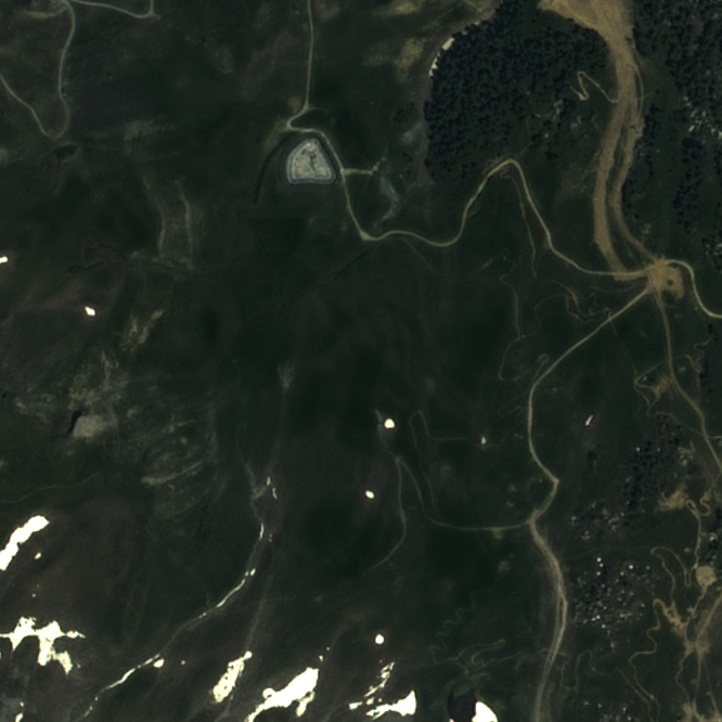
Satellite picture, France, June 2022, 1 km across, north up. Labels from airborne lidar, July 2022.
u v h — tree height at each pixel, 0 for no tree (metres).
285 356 0
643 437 0
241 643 0
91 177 0
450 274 0
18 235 0
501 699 0
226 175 0
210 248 0
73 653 0
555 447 0
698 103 13
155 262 0
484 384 0
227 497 0
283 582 0
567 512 0
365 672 0
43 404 0
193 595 0
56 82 0
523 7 18
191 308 0
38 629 0
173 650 0
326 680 0
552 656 0
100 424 0
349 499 0
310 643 0
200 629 0
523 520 0
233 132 0
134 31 0
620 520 0
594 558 0
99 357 0
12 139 0
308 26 0
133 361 0
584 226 0
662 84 0
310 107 0
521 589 0
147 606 0
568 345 0
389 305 0
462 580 0
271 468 0
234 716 0
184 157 0
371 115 0
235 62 0
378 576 0
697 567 0
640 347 0
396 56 0
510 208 0
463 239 0
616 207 0
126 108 0
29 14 0
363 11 0
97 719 0
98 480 0
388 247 0
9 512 0
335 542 0
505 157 0
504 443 0
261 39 0
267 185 0
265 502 0
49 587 0
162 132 0
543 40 12
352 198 0
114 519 0
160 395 0
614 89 0
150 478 0
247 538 0
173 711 0
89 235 0
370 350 0
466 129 19
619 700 0
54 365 0
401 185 0
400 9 0
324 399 0
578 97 0
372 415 0
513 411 0
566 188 0
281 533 0
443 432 0
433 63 0
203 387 0
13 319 0
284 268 0
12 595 0
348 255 0
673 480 0
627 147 0
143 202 0
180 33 0
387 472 0
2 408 0
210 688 0
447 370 0
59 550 0
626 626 0
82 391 0
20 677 0
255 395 0
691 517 0
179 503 0
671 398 0
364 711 0
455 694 0
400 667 0
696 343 0
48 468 0
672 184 0
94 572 0
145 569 0
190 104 0
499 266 0
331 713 0
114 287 0
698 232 0
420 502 0
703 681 0
